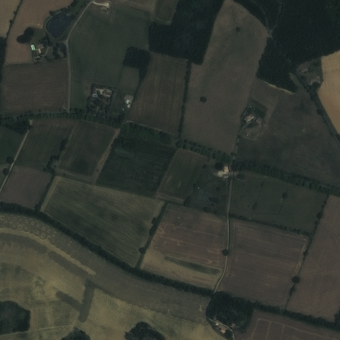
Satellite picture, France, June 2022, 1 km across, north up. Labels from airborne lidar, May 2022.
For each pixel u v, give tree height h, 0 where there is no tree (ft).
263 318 0
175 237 0
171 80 0
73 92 0
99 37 0
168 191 0
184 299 0
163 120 0
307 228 0
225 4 0
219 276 0
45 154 0
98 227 0
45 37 21
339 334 0
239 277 0
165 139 55
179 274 0
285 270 0
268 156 0
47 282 0
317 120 0
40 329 0
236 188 0
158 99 0
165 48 42
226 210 0
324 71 0
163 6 0
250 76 0
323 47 46
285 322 0
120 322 0
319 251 0
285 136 0
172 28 48
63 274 0
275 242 0
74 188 0
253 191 0
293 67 44
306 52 29
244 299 40
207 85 0
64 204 0
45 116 60
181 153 0
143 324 65
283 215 0
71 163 0
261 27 0
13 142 0
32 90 0
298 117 0
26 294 0
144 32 0
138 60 60
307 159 0
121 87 0
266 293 0
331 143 0
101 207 0
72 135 0
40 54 35
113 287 0
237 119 0
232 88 0
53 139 0
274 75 47
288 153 0
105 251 40
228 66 0
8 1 0
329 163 0
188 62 35
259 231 0
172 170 0
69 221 0
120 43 0
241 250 0
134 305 0
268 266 0
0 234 0
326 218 0
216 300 45
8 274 0
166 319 0
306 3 46
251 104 0
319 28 44
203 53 54
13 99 0
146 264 0
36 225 0
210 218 0
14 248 0
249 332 0
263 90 0
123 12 0
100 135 0
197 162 0
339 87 0
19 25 0
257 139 0
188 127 0
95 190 0
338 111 0
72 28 0
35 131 0
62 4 0
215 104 0
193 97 0
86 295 0
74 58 0
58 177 0
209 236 0
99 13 0
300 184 69
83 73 0
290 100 0
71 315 0
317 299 0
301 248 0
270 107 0
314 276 0
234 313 42
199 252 0
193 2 35
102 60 0
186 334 0
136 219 0
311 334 0
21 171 0
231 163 70
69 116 79
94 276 0
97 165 0
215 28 0
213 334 0
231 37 0
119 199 0
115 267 0
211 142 0
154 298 0
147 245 0
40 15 0
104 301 0
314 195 0
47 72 0
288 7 39
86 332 0
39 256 0
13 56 0
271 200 0
